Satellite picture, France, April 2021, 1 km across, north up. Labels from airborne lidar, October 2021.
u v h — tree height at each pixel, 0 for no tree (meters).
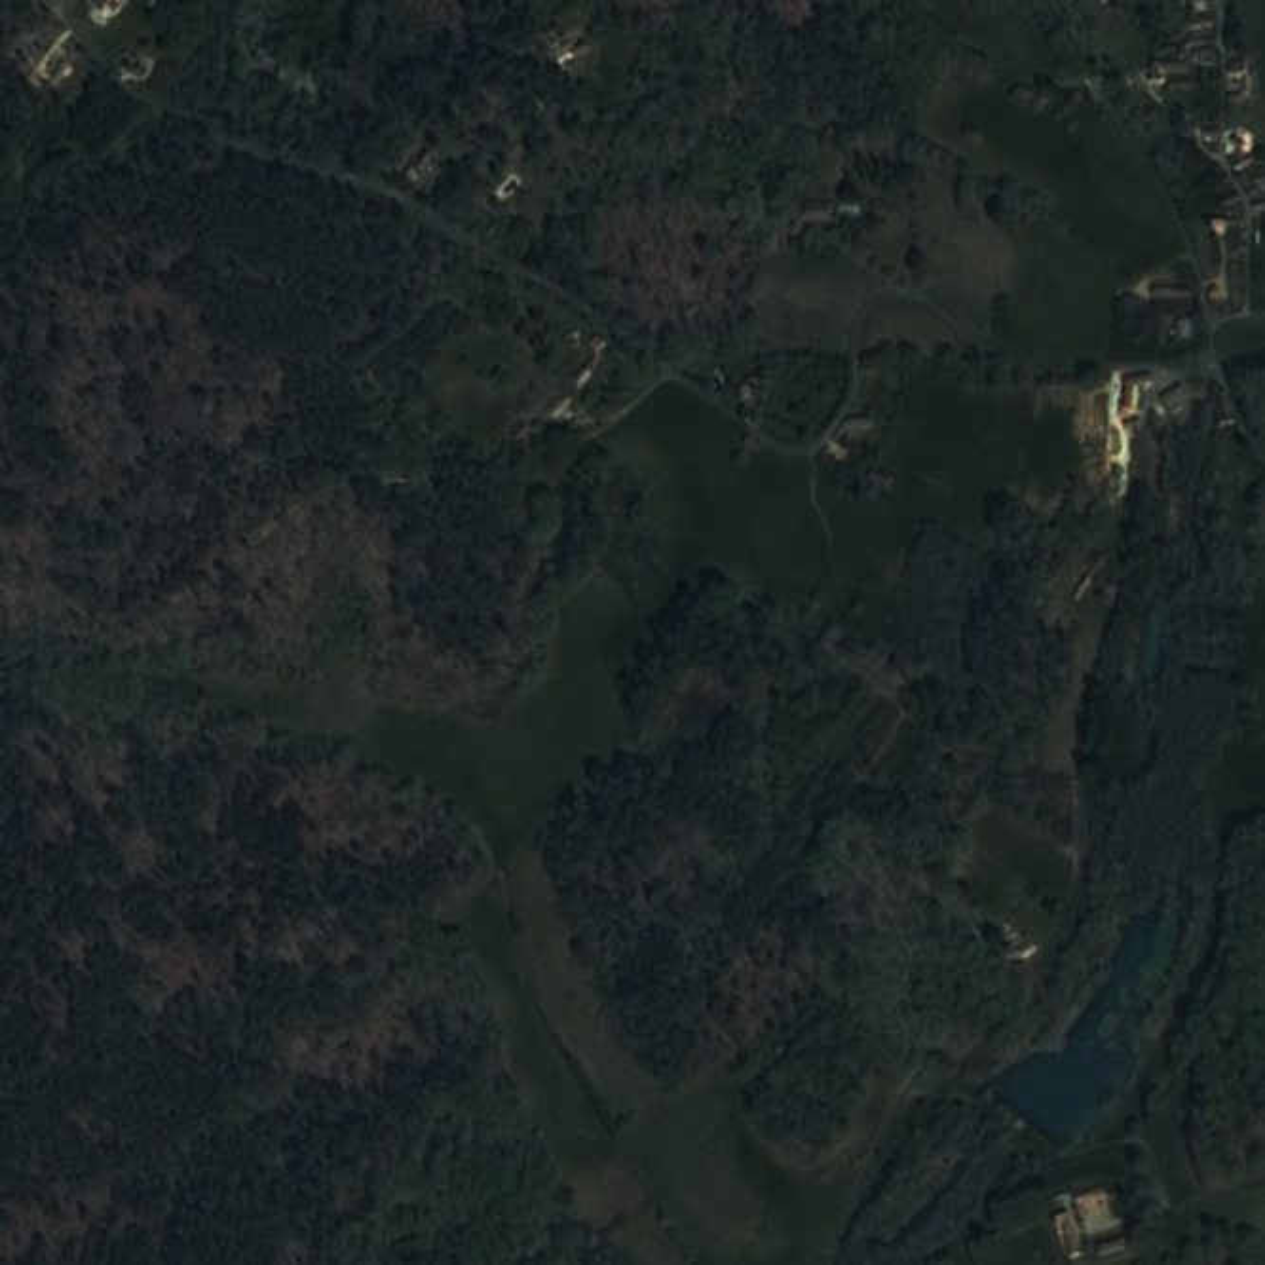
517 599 17
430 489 14
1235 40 16
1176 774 22
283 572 13
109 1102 20
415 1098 13
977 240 0
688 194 23
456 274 18
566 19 11
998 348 0
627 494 9
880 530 0
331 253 26
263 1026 26
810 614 7
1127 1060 0
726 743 18
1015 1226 14
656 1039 29
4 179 17
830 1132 26
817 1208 0
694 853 12
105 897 15
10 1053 10
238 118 9
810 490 0
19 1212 19
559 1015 0
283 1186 7
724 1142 0
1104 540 0
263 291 17
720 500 0
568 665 0
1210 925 0
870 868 20
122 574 9
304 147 20
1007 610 31
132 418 19
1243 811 0
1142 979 0
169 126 15
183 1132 24
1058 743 0
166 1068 22
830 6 16
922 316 0
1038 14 10
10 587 17
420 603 14
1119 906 15
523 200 16
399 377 7
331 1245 15
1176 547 16
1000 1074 13
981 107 0
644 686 6
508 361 0
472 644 29
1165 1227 17
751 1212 0
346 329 19
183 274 10
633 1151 0
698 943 10
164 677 23
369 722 0
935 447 0
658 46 15
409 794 14
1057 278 0
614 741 0
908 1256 18
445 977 14
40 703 23
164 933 21
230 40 21
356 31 24
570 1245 28
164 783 26
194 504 6
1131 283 0
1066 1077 0
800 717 22
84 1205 16
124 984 20
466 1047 11
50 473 25
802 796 10
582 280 26
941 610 11
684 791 13
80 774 22
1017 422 0
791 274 0
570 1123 0
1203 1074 23
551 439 18
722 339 12
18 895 23
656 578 9
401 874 16
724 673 28
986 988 24
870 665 11
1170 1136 0
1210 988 15
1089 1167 0
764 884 17
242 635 27
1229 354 0
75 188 20
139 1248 8
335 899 19
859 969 23
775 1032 15
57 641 18
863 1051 25
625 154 15
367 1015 25
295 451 25
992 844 0
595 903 25
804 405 5
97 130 18
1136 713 12
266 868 9
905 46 17
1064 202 0
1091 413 0
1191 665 13
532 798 0
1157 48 8
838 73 25
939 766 11
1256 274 0
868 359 9
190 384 7
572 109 26
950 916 17
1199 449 17
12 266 9
